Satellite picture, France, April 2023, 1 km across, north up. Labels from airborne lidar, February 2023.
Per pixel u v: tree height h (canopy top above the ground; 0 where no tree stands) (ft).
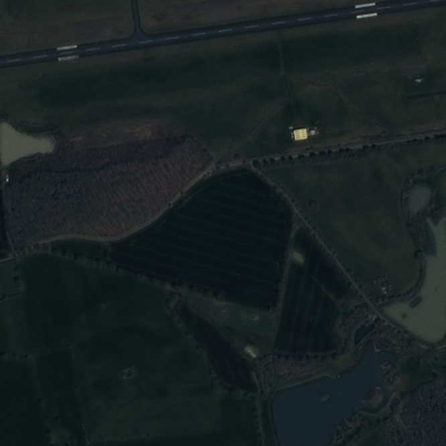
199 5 0
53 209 67
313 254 0
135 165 50
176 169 62
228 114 0
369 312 53
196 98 0
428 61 0
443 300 0
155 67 0
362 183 0
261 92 0
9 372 0
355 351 0
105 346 0
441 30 0
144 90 0
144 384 0
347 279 23
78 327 0
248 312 0
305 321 0
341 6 0
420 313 0
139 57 0
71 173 52
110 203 67
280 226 0
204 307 0
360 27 0
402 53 0
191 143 62
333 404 0
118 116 0
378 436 0
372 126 0
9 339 0
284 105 0
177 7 0
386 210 0
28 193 62
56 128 18
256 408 42
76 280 0
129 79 0
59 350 0
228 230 0
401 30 0
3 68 0
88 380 0
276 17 0
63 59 0
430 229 0
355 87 0
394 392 0
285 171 0
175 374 0
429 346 0
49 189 60
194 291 62
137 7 0
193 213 0
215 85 0
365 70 0
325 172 0
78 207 58
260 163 30
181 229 0
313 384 0
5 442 0
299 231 0
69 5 0
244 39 0
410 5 0
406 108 0
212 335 0
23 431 0
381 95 0
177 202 0
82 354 0
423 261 41
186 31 0
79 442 0
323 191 0
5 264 0
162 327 0
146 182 67
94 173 54
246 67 0
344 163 0
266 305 0
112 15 0
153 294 0
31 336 0
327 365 25
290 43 0
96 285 0
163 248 0
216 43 0
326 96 0
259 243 0
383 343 0
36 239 55
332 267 0
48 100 0
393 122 0
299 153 0
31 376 0
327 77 0
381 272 0
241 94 0
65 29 0
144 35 0
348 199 0
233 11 0
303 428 0
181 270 0
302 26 0
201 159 56
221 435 0
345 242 0
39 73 0
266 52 0
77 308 0
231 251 0
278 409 0
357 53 0
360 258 0
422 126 0
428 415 35
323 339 0
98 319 0
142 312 0
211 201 0
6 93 0
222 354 0
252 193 0
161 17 0
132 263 0
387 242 0
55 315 0
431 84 0
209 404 0
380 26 0
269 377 18
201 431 0
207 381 0
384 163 0
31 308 0
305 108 0
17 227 64
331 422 0
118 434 0
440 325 0
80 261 67
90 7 0
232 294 0
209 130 0
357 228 0
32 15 0
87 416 0
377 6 0
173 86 0
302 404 0
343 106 0
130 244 0
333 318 0
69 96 0
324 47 0
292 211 42
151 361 0
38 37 0
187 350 0
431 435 58
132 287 0
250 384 0
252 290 0
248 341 0
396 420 20
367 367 0
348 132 0
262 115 0
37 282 0
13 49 0
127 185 63
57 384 0
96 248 0
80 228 45
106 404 0
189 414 0
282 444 0
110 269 56
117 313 0
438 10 0
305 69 0
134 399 0
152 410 0
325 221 0
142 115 0
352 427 0
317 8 0
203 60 0
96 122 0
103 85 0
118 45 0
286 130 0
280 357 39
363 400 0
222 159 0
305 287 0
